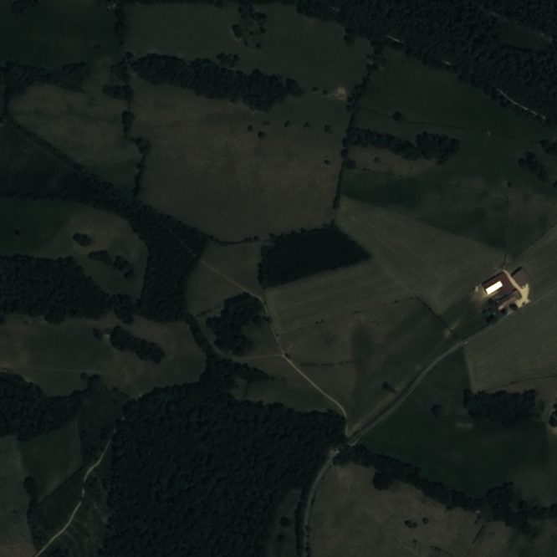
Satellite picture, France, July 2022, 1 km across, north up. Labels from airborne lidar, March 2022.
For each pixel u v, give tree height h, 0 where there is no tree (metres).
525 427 0
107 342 0
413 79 0
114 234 0
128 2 19
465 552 0
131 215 13
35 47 0
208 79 25
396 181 0
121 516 19
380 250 0
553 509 13
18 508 0
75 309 22
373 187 0
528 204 0
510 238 0
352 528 0
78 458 0
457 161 0
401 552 0
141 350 17
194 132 0
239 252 0
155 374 0
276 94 21
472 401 16
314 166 0
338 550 0
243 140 0
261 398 0
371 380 0
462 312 0
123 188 0
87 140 0
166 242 9
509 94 16
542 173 14
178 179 0
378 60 18
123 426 24
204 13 0
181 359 0
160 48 0
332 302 0
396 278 0
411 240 0
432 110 0
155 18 0
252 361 0
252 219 0
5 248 0
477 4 20
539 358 0
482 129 0
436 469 0
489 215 0
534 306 0
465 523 0
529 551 0
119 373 0
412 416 0
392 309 0
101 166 0
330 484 0
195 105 0
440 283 0
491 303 8
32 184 0
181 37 0
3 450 0
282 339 0
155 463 22
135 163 0
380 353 0
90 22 0
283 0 13
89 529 0
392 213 0
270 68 0
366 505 0
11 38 0
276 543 0
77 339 0
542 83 20
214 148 0
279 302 0
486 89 23
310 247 11
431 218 0
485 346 0
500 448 0
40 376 0
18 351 0
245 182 0
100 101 0
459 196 0
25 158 0
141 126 0
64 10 0
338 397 0
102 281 0
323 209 0
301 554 11
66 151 0
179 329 0
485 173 0
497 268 0
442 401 0
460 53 16
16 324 0
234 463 22
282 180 0
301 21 0
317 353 0
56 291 23
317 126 0
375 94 0
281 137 0
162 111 0
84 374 7
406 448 0
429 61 23
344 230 0
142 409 25
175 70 25
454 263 0
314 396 0
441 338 0
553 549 0
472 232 0
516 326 0
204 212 0
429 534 0
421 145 18
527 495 0
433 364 0
